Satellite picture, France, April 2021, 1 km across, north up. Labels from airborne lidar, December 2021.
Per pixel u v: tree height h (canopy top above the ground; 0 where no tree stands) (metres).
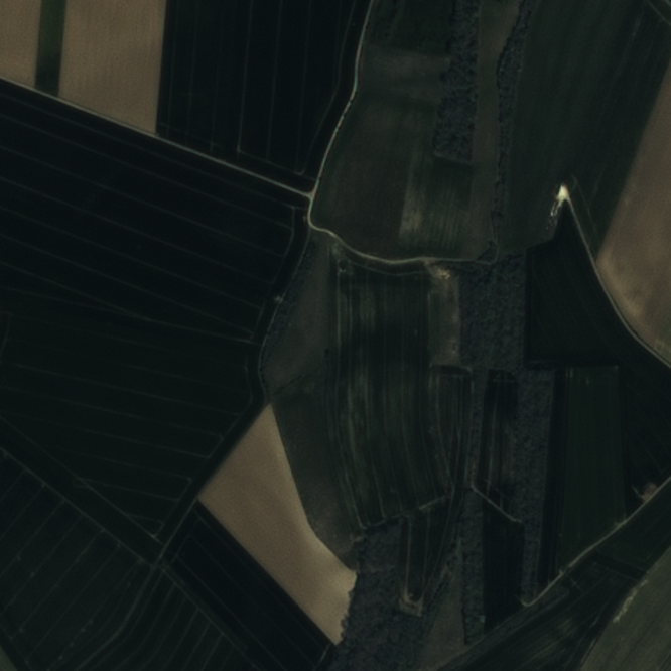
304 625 0
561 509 0
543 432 17
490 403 0
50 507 0
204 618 0
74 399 0
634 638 0
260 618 0
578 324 0
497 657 0
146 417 0
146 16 0
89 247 0
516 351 17
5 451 0
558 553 0
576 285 0
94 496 0
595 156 0
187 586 0
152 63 0
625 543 0
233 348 0
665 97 0
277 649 0
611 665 0
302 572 0
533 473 16
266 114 0
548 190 0
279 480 0
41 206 0
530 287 0
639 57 0
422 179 0
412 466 0
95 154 0
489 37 0
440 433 0
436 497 0
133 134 0
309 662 0
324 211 0
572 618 0
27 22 0
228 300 0
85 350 0
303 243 0
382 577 15
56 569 0
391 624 21
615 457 0
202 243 0
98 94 0
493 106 0
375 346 0
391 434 0
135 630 0
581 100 0
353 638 14
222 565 0
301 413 0
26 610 0
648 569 0
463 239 0
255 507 0
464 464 0
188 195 0
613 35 0
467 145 16
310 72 0
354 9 0
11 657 0
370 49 0
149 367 0
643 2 0
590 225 0
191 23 0
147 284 0
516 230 0
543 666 0
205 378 0
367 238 0
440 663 0
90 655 0
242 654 0
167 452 0
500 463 0
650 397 0
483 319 16
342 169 0
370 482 0
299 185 0
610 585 0
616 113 0
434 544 0
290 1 0
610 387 0
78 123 0
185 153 0
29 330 0
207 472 0
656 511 0
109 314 0
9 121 0
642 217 0
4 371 0
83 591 0
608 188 0
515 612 0
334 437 0
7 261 0
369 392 0
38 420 0
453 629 0
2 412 0
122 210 0
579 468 0
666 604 0
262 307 0
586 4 0
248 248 0
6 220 0
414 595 0
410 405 0
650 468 0
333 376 0
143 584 0
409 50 0
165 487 0
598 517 0
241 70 0
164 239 0
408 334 0
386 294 0
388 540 23
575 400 0
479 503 9
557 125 0
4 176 0
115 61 0
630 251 0
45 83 0
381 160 0
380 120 0
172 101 0
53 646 0
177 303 0
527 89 0
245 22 0
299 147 0
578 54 0
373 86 0
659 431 0
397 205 0
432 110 0
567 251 0
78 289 0
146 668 0
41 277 0
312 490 0
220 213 0
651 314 0
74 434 0
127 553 0
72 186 0
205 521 0
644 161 0
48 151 0
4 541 0
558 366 0
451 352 0
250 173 0
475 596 13
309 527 0
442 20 0
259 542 0
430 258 0
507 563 0
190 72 0
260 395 0
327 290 0
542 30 0
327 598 0
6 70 0
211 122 0
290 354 0
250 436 0
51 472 0
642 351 0
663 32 0
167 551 0
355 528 0
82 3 0
